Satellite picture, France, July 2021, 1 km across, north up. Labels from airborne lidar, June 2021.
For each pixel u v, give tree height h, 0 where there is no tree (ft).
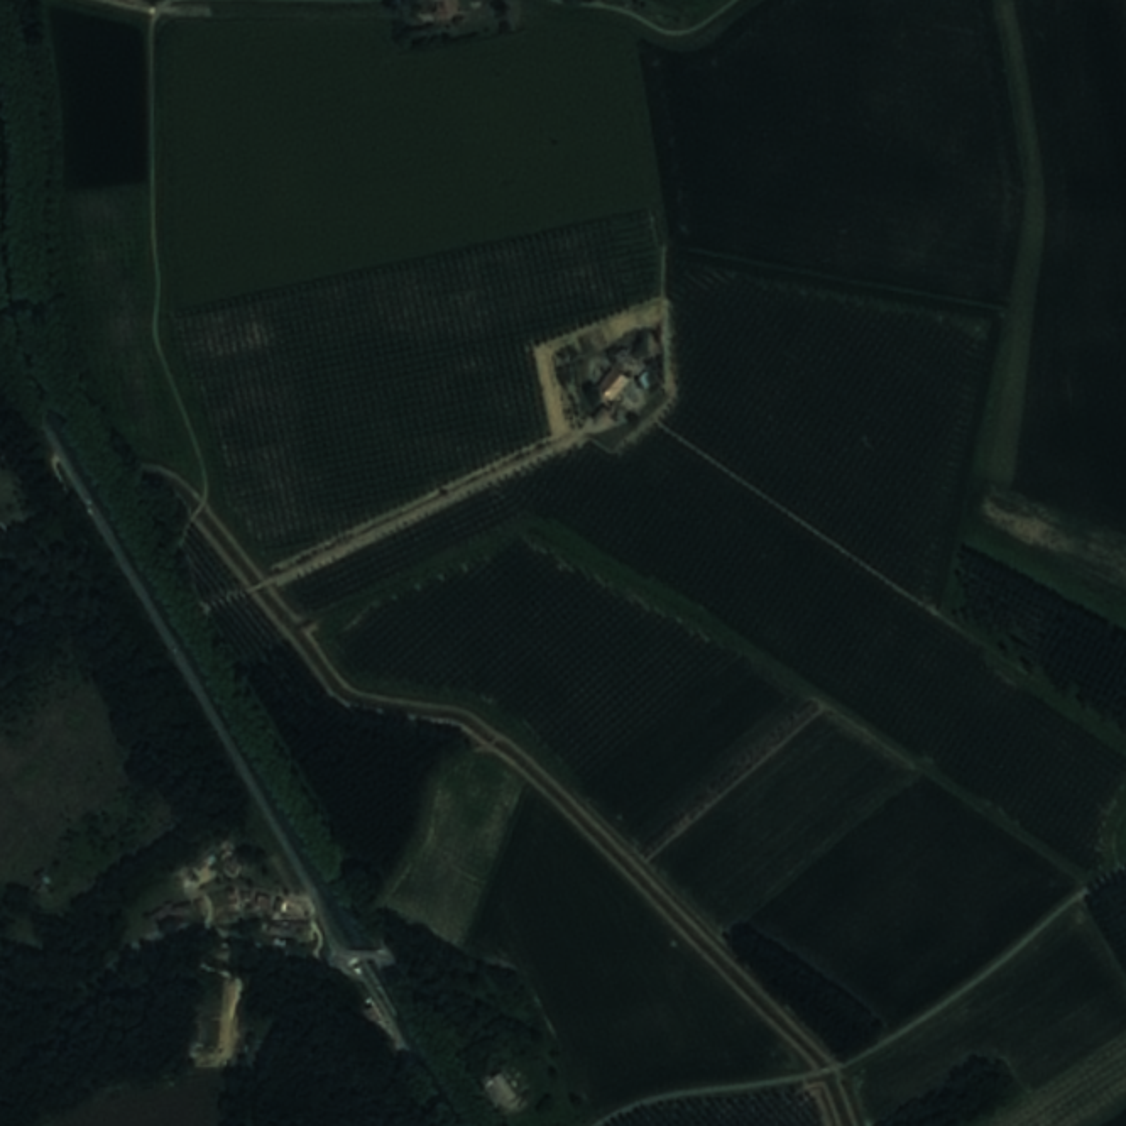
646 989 0
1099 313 0
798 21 0
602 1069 0
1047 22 0
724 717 0
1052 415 0
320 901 0
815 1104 44
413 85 0
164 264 0
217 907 0
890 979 0
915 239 0
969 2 0
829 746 0
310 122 0
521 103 0
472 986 40
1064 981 0
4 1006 97
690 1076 0
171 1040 68
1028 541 0
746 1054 0
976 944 0
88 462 100
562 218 0
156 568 94
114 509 85
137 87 0
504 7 61
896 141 0
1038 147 0
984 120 0
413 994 83
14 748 0
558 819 0
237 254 0
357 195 0
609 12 0
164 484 58
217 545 0
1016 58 0
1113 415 0
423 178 0
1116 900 79
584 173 0
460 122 0
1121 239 0
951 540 0
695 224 0
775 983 75
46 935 50
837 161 0
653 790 0
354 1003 42
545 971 0
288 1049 63
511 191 0
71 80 0
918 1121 30
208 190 0
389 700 0
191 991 70
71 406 107
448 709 0
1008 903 0
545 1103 19
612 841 0
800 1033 0
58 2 0
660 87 0
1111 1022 0
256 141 0
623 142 0
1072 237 0
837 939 0
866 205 0
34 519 27
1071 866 0
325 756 73
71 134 0
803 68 0
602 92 0
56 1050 91
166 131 0
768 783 0
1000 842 0
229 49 0
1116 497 0
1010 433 0
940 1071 0
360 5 0
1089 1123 0
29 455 46
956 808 0
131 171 0
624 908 0
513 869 0
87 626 53
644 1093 0
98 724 0
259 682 90
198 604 82
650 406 0
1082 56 0
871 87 0
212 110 0
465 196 0
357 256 0
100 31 0
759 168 0
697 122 0
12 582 58
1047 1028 0
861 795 0
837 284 0
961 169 0
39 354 113
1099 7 0
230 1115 42
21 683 25
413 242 0
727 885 0
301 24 0
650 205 0
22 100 122
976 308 0
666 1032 0
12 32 129
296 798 96
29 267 125
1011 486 0
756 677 0
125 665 66
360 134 0
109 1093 37
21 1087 53
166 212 0
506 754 0
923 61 0
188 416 0
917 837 0
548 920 0
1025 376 0
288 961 66
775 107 0
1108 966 0
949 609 0
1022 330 0
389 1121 74
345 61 0
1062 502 0
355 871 78
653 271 0
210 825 58
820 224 0
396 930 87
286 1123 45
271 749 115
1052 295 0
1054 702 0
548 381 0
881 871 0
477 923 0
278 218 0
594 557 0
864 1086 0
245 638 47
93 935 75
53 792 0
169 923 34
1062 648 68
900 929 0
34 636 80
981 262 0
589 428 0
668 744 0
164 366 0
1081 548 0
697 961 0
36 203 140
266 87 0
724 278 0
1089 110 0
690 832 0
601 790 0
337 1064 71
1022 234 0
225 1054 0
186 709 56
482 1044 23
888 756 0
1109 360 0
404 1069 77
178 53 0
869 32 0
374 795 80
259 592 0
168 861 32
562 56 0
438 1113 104
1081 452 0
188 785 68
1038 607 58
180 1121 0
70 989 55
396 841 82
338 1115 70
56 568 65
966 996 0
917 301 0
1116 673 65
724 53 0
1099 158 0
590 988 0
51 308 120
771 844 0
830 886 0
